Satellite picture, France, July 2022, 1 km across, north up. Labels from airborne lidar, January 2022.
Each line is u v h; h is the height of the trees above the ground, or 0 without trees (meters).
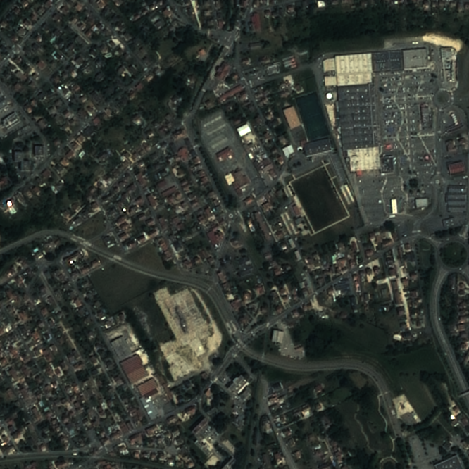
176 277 0
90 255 0
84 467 0
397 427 0
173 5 0
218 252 0
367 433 0
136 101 0
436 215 0
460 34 7
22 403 0
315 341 29
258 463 0
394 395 0
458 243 0
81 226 0
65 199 0
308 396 5
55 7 0
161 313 0
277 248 7
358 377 0
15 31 7
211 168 7
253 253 0
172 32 13
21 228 7
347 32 9
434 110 0
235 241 0
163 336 0
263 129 0
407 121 0
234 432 0
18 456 0
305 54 0
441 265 0
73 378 0
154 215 0
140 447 0
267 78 0
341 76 0
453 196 0
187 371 0
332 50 0
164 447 0
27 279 6
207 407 12
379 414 0
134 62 0
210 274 0
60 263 0
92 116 0
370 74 0
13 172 17
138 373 0
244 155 0
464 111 0
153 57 0
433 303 0
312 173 0
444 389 0
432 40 0
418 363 0
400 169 0
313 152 0
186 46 9
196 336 0
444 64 0
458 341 7
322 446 0
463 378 0
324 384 0
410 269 0
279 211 0
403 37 0
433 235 0
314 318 15
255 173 0
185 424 0
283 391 0
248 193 0
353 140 0
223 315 0
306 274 0
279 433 0
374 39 0
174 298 0
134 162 0
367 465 7
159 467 0
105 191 0
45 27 0
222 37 0
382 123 0
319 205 0
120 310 6
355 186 0
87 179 8
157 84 17
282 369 0
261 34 0
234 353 0
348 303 12
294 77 0
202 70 16
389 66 0
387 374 0
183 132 0
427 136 0
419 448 0
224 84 0
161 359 0
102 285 0
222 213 0
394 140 0
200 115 0
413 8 6
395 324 0
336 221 0
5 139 0
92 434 0
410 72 0
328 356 0
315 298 0
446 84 0
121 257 0
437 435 0
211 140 0
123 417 6
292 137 0
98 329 0
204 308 0
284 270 8
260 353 0
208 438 0
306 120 0
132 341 0
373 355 0
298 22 7
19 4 7
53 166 8
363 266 0
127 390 7
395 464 0
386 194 0
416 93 0
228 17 6
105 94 12
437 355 0
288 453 0
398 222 0
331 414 7
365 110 0
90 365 0
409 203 0
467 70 0
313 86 0
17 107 0
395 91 0
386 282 0
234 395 0
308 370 0
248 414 10
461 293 0
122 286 0
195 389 14
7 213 0
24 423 6
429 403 0
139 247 0
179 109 12
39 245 8
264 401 0
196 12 0
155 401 0
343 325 0
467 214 0
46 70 0
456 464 0
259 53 0
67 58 0
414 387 0
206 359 0
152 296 9
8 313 0
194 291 0
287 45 16
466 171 0
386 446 0
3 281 0
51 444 5
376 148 0
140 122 0
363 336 0
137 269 0
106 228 0
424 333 0
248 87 0
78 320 8
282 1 0
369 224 0
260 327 0
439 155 0
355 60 0
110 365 0
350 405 0
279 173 0
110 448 0
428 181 0
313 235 0
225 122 0
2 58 0
